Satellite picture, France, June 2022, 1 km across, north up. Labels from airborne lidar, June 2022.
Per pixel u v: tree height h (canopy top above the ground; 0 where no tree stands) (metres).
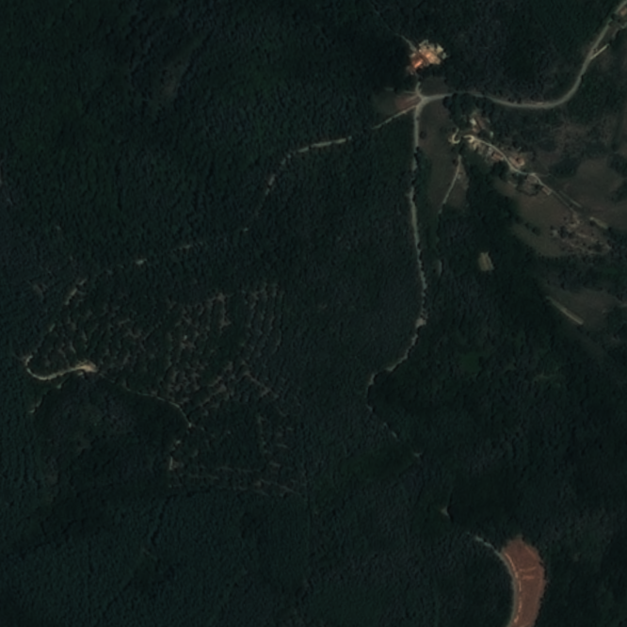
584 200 0
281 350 14
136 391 9
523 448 27
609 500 16
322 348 15
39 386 13
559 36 10
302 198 6
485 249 20
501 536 17
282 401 17
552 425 23
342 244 11
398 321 12
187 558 23
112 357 6
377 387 16
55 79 12
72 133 23
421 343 16
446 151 0
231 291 14
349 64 19
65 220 19
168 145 16
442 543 15
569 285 6
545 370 9
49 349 12
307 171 8
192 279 8
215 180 19
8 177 14
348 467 13
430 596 19
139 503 26
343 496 20
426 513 20
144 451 12
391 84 15
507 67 10
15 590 28
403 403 21
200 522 26
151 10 14
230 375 17
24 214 13
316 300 9
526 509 17
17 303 24
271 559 18
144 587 18
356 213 24
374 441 16
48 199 16
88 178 15
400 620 15
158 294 8
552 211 0
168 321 12
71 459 15
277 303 11
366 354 13
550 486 17
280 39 14
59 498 11
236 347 18
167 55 11
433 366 13
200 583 32
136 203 15
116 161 18
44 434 13
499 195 10
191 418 17
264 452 12
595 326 0
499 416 19
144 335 9
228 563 27
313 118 7
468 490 22
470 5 7
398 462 23
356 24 12
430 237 12
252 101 9
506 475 20
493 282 11
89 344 12
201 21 14
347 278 13
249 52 10
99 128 21
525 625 0
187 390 13
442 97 0
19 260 15
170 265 14
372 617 24
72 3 20
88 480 23
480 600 14
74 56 16
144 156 16
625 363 13
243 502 25
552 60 11
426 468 12
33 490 28
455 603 10
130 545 31
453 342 14
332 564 11
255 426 13
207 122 8
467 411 20
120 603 26
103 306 9
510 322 10
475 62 9
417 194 12
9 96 19
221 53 12
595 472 18
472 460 15
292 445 12
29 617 30
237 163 17
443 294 9
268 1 27
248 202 15
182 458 12
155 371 12
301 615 12
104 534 29
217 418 11
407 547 20
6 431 29
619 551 20
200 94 17
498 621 14
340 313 10
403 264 15
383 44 18
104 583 31
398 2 13
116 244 13
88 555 27
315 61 18
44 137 15
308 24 20
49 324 13
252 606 16
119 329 13
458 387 18
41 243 14
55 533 20
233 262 16
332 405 12
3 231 15
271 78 10
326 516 8
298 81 17
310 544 10
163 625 29
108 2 20
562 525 10
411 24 10
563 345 24
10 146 11
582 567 12
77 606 29
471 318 15
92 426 8
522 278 31
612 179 0
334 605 22
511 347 11
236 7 17
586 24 11
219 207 14
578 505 12
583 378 20
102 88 18
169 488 12
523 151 14
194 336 10
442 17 8
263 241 18
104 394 22
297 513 16
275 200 7
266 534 15
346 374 17
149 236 11
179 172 14
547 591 13
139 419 14
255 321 14
